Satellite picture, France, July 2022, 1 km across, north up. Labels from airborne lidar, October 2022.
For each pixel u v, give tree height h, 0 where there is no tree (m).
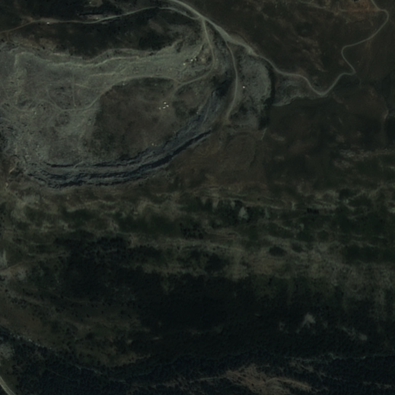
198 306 14
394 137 0
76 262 6
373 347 10
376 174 0
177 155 0
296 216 0
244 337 8
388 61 0
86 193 0
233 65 0
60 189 0
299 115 0
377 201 0
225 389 9
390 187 0
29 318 0
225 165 0
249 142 0
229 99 0
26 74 0
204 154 0
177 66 0
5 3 0
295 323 13
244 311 8
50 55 0
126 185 0
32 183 0
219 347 14
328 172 0
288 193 0
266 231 0
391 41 0
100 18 0
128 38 0
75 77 0
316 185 0
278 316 11
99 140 0
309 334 8
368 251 0
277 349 13
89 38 0
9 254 0
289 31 0
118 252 12
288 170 0
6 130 0
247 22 0
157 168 0
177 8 0
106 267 6
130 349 8
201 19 0
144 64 0
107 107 0
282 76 0
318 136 0
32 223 0
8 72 0
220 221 0
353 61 0
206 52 0
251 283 7
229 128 0
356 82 0
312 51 0
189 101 0
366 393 17
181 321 13
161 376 18
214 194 0
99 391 15
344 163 0
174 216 0
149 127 0
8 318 0
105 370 17
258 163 0
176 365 16
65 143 0
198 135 0
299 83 0
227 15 0
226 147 0
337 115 0
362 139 0
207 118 0
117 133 0
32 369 12
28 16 0
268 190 0
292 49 0
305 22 0
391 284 8
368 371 12
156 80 0
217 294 6
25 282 0
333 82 0
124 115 0
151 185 0
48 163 0
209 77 0
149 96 0
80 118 0
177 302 12
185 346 12
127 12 0
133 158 0
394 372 11
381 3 0
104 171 0
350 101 0
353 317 7
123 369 13
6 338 13
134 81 0
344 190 0
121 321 0
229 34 0
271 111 0
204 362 22
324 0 0
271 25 0
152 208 0
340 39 0
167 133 0
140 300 7
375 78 0
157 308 10
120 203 0
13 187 0
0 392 6
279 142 0
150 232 0
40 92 0
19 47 0
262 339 10
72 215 0
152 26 0
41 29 0
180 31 0
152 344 13
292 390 13
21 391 7
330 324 10
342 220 0
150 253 7
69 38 0
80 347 0
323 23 0
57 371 8
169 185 0
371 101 0
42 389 10
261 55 0
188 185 0
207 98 0
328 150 0
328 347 14
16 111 0
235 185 0
